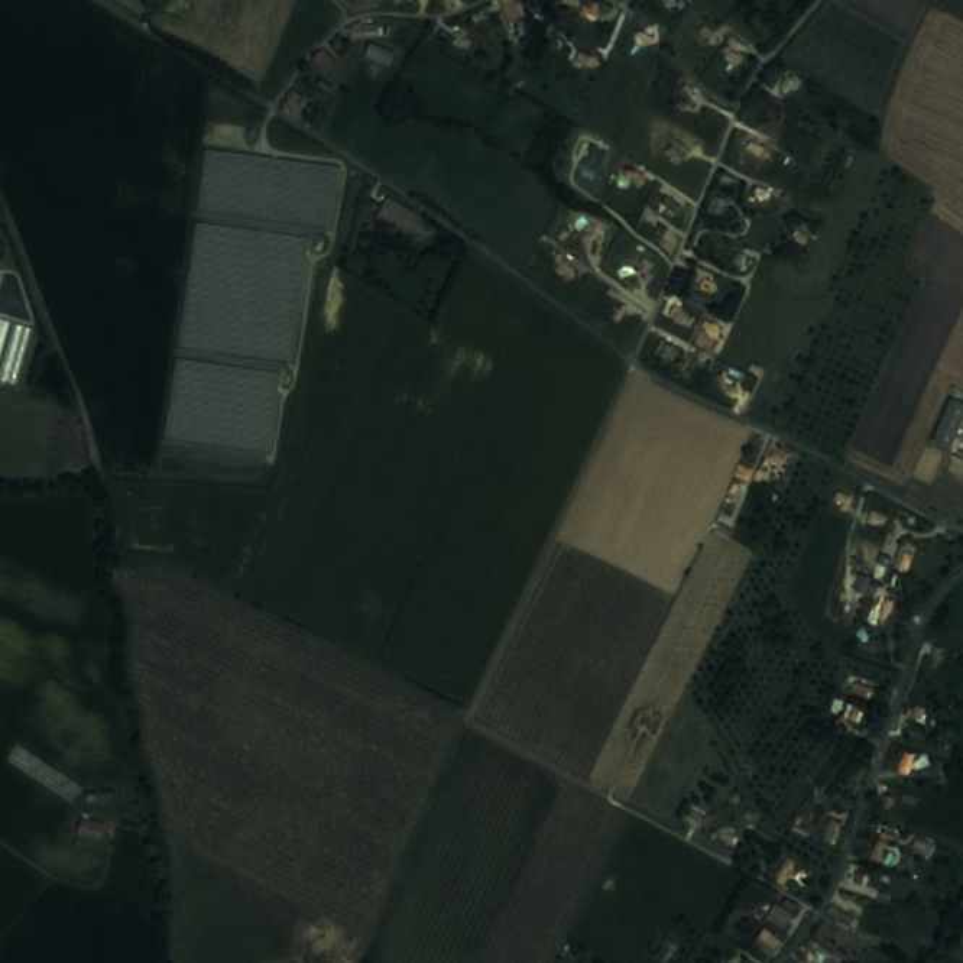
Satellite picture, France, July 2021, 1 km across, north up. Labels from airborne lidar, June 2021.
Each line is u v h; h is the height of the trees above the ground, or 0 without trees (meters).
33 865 0
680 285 12
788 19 6
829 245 0
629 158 0
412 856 0
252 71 0
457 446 0
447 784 0
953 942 24
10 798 0
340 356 0
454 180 0
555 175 9
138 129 0
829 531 0
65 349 0
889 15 0
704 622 0
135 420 0
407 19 0
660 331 0
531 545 0
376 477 0
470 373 0
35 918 0
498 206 0
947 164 0
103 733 0
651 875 0
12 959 0
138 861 0
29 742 0
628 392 0
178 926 0
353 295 0
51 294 0
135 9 0
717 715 7
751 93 7
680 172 0
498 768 0
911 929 0
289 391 0
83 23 0
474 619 0
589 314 0
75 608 0
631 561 0
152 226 0
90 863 0
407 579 0
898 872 6
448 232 8
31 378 9
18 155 0
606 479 0
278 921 0
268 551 0
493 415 0
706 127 0
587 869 0
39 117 0
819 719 11
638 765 0
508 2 0
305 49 0
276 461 0
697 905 0
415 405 0
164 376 0
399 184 0
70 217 0
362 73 0
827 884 13
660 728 0
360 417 0
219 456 0
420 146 0
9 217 0
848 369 7
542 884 0
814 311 0
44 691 0
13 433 0
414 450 0
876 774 0
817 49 0
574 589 0
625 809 0
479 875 0
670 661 0
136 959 0
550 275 0
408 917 0
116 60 0
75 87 0
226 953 0
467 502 0
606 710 0
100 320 0
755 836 16
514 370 0
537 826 0
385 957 0
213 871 0
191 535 0
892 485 0
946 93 0
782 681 7
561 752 0
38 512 0
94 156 0
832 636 0
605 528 0
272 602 0
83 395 0
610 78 0
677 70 0
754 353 0
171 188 0
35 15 0
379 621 0
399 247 8
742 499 0
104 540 18
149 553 0
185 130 0
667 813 0
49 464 0
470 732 0
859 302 7
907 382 0
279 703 0
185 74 0
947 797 0
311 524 0
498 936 0
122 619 11
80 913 0
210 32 0
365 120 0
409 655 0
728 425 0
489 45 0
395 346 0
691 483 0
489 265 0
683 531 0
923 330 0
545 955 0
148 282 0
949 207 0
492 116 0
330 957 0
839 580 0
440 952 0
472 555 0
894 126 0
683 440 0
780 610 9
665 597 0
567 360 0
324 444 0
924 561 0
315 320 0
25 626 0
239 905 0
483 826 0
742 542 0
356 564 0
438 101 0
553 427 0
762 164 0
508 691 0
